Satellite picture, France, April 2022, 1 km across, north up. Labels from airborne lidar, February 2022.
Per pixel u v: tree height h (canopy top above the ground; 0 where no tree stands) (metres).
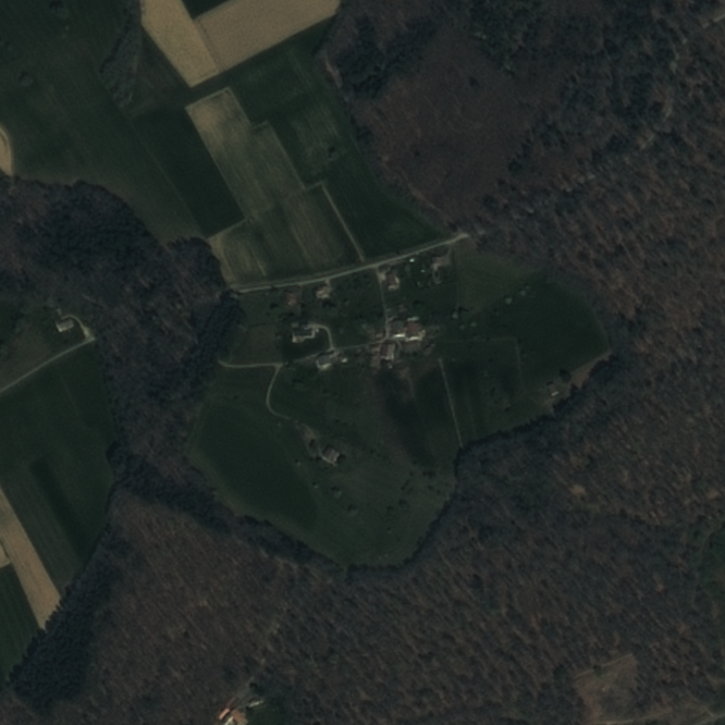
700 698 32
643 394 11
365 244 0
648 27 25
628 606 33
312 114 0
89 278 28
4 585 0
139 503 21
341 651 32
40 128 0
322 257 0
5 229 25
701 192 25
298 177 0
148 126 0
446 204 18
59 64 0
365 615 35
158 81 0
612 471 28
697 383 28
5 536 0
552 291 0
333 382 0
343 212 0
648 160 29
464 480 30
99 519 0
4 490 0
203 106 0
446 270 0
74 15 0
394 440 0
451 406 0
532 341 0
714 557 8
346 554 0
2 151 0
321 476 0
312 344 0
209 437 0
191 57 0
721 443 27
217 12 0
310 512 0
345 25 18
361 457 0
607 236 26
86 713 19
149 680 20
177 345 29
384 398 0
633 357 27
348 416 0
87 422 0
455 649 37
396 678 31
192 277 29
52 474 0
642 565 33
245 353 0
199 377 27
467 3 14
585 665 34
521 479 38
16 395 0
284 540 24
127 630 20
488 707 28
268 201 0
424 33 28
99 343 21
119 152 0
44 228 28
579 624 31
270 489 0
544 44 15
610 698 0
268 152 0
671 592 30
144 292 28
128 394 26
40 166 0
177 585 18
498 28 9
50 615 0
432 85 12
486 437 0
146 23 0
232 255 0
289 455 0
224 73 0
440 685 31
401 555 0
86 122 0
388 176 12
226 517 25
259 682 16
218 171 0
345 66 25
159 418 30
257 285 0
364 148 18
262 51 0
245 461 0
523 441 27
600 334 0
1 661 0
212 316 28
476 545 9
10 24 0
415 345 0
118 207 26
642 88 26
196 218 0
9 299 23
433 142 11
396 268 0
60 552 0
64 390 0
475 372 0
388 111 25
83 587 20
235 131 0
